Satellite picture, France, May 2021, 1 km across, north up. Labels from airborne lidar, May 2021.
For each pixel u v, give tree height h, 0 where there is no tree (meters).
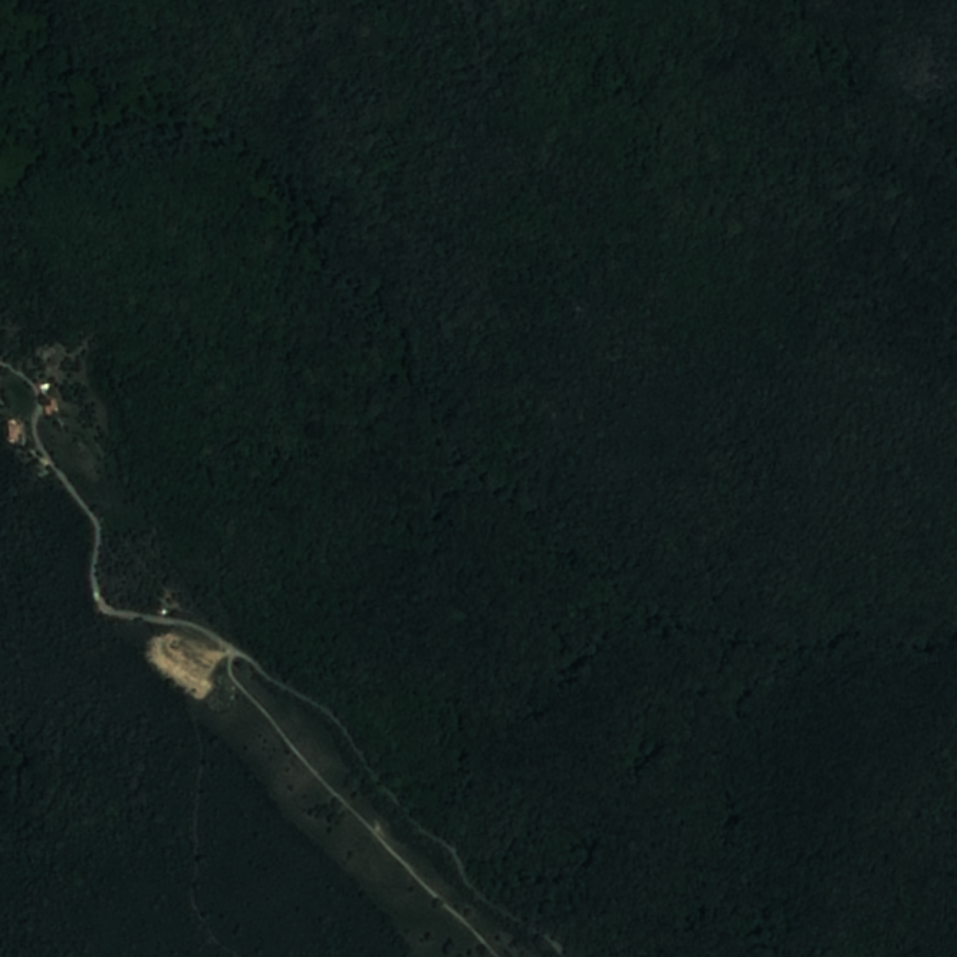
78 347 8
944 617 16
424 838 9
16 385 0
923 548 13
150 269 14
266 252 12
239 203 15
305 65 19
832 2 10
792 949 15
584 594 19
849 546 8
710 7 13
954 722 10
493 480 18
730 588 14
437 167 10
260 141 16
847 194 14
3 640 6
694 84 10
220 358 10
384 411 15
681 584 17
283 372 10
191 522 11
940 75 8
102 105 17
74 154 21
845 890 9
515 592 18
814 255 15
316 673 12
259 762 0
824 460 8
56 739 10
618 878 13
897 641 12
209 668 0
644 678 12
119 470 9
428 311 12
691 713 20
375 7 13
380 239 12
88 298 12
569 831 20
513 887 16
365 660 14
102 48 13
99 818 9
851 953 8
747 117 15
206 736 6
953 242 7
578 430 8
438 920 0
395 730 16
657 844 13
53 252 14
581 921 8
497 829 12
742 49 17
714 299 7
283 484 17
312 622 16
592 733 12
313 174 18
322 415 16
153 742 9
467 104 11
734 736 21
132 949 6
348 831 0
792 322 9
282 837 7
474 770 19
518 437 15
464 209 6
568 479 10
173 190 15
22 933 8
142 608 8
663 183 14
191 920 9
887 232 16
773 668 17
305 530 8
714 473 6
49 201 17
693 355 8
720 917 27
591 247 13
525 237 9
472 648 16
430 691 12
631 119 12
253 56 11
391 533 20
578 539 15
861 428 11
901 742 16
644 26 11
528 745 15
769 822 15
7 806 12
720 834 23
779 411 7
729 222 15
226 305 10
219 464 13
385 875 0
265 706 0
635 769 7
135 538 9
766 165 14
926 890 23
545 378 13
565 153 9
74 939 8
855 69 16
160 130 13
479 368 12
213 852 7
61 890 6
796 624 11
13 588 10
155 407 8
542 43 9
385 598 18
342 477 14
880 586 11
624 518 7
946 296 17
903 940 10
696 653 15
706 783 21
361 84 13
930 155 15
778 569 9
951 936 18
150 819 9
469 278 6
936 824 18
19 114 19
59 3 16
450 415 19
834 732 15
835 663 14
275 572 8
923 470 8
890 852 15
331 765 0
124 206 17
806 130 12
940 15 7
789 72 10
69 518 6
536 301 14
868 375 8
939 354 12
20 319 7
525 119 10
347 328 18
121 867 7
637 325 7
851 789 14
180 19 11
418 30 9
